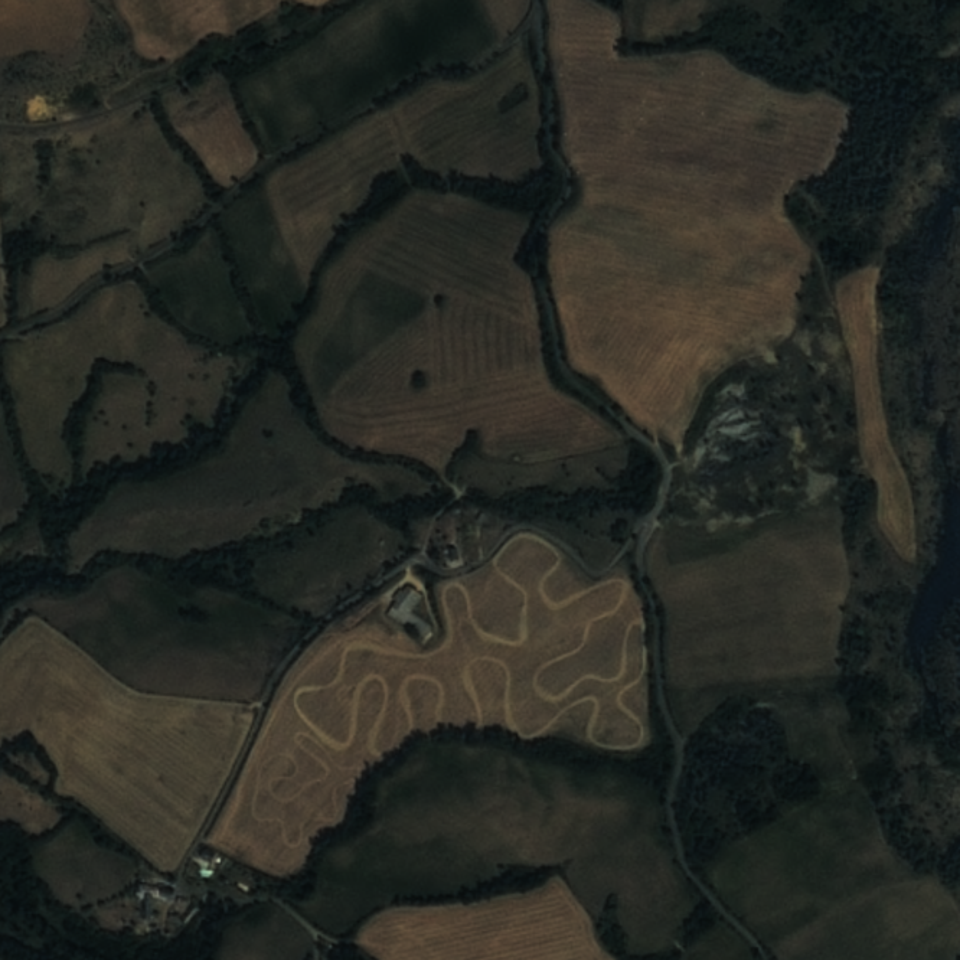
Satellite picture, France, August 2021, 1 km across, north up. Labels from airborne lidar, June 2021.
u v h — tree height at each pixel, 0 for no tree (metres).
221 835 0
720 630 0
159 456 17
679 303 0
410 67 0
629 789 0
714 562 0
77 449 6
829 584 0
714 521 0
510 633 0
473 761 0
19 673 0
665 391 0
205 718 0
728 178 0
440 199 0
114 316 0
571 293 0
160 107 9
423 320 0
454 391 0
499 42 0
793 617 0
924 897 0
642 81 0
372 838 0
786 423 0
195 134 0
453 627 0
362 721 0
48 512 22
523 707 0
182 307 0
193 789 0
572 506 6
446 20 0
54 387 0
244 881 0
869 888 0
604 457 0
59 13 0
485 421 0
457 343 0
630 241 0
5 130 0
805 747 0
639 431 0
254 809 0
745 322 0
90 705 0
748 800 7
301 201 0
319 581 0
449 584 0
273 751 0
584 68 0
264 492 0
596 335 0
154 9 0
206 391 0
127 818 0
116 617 0
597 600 0
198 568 12
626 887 0
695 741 9
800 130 0
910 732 9
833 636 0
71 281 0
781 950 0
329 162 0
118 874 0
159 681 0
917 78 10
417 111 0
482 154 0
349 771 0
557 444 0
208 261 0
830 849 0
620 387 0
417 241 0
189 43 0
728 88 0
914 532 0
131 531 0
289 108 0
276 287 0
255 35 13
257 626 0
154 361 0
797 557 0
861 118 16
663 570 0
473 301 0
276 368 17
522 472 0
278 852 0
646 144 0
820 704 0
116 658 0
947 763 8
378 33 0
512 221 0
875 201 11
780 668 0
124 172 0
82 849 0
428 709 0
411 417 0
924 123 6
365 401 0
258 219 0
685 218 0
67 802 9
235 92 9
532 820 0
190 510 0
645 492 8
